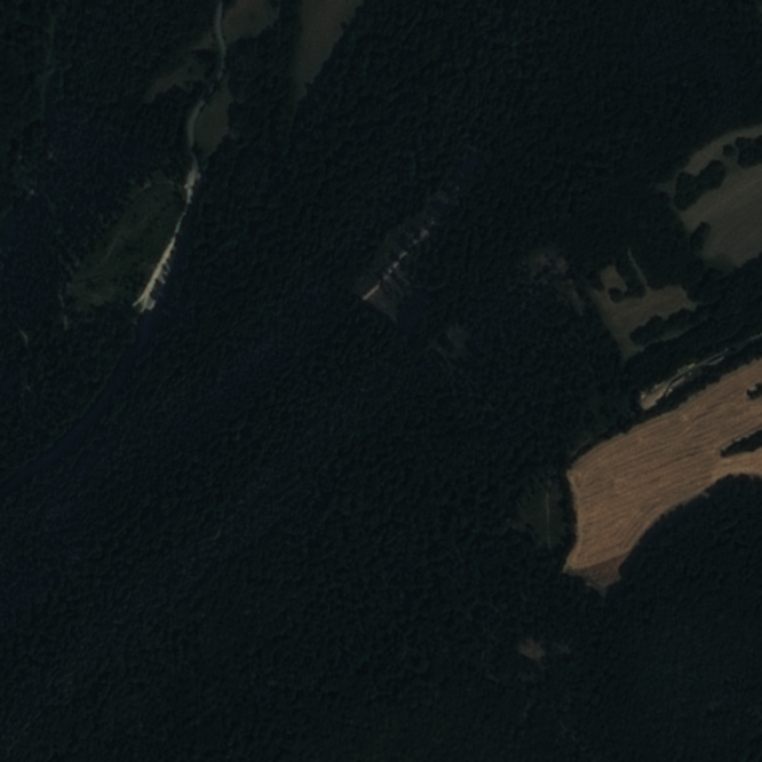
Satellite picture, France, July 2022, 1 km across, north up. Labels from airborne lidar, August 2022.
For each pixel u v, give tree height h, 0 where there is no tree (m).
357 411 19
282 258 29
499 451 19
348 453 24
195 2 22
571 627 25
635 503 0
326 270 21
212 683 16
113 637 21
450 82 29
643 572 25
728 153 7
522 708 17
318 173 26
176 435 27
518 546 23
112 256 0
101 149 31
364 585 18
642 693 15
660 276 12
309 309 26
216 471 30
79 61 15
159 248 0
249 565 22
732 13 25
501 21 12
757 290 17
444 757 13
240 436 27
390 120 27
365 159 33
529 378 29
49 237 34
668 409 8
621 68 24
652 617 21
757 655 14
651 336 13
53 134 30
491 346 27
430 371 27
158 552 29
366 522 14
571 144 26
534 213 27
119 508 21
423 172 27
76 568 28
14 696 24
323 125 30
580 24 23
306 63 0
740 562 25
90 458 18
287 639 18
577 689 22
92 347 29
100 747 22
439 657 18
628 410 0
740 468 0
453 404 25
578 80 20
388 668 17
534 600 29
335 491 24
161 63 25
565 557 13
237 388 28
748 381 0
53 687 23
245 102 19
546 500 0
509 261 16
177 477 30
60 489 19
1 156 31
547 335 22
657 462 0
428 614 19
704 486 0
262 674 19
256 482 19
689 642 12
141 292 7
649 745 17
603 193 15
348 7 0
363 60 30
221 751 9
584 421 19
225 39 6
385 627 20
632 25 14
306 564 22
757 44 26
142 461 27
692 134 21
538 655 0
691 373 0
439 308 30
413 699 15
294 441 23
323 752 17
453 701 16
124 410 17
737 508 28
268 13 0
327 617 16
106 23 13
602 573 0
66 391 17
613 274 0
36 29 30
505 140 23
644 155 19
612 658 22
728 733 13
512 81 19
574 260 12
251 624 19
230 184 22
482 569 23
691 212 0
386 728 14
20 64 32
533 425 22
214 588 25
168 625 25
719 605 22
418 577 19
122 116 25
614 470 0
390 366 17
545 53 30
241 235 33
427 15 19
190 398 20
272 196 41
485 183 26
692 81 27
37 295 33
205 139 0
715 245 0
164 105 16
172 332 35
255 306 26
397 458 24
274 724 20
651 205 16
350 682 18
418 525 16
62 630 31
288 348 24
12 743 19
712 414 0
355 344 27
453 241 31
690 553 25
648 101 25
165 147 25
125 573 29
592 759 19
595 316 19
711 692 13
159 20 19
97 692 24
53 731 24
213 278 27
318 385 29
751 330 11
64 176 34
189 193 0
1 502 19
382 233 27
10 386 26
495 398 28
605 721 18
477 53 24
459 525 21
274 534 26
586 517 0
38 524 23
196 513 29
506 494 22
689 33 24
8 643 15
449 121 22
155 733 20
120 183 33
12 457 12
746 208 0
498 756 14
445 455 26
